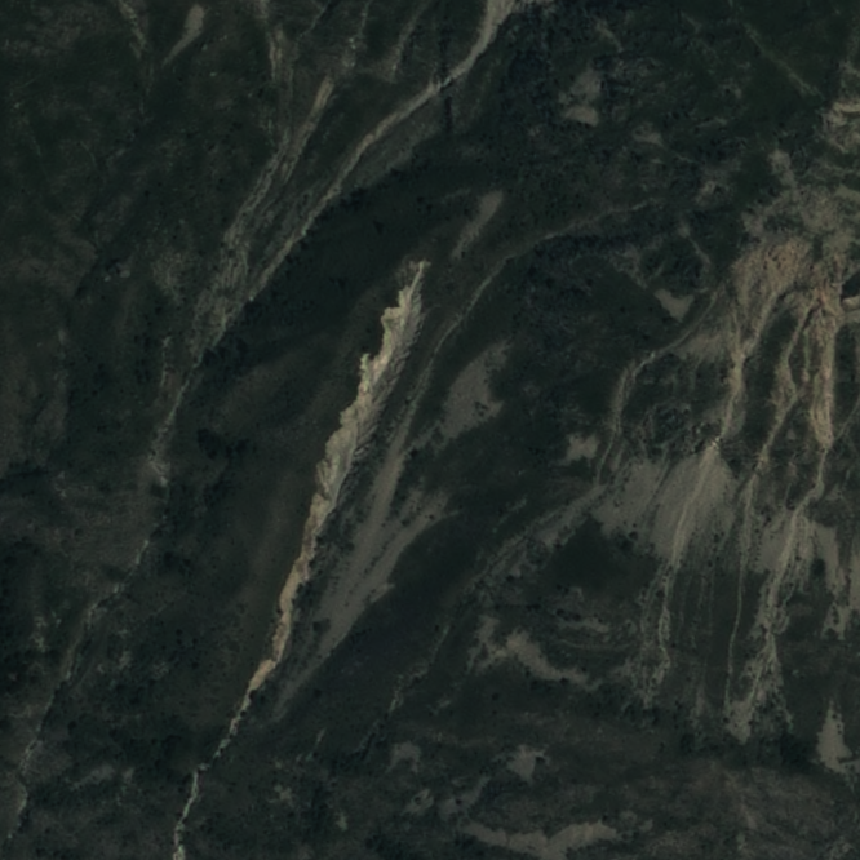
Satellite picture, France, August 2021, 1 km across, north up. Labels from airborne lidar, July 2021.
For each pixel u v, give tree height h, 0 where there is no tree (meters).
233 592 0
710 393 0
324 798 11
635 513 0
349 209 17
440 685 0
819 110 0
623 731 0
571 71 0
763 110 0
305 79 0
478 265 0
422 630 0
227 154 6
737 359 0
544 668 0
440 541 0
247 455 20
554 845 0
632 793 0
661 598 7
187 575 6
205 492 7
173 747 18
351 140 0
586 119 0
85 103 0
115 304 0
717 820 6
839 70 0
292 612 0
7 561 8
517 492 0
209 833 8
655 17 0
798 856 0
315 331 0
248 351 21
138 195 0
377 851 8
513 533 0
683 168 7
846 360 9
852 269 0
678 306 0
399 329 0
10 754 0
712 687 0
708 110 0
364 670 0
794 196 0
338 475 0
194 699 0
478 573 0
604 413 0
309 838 12
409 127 0
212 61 0
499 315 0
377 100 0
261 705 8
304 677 0
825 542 0
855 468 0
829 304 0
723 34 0
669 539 0
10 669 14
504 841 0
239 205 0
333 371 0
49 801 6
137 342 14
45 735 7
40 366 0
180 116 0
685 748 7
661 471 0
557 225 0
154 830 0
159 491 6
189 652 7
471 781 7
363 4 0
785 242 0
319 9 0
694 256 0
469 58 0
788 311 0
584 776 0
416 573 0
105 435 9
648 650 0
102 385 12
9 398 0
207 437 16
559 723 0
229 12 0
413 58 0
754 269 0
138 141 0
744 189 0
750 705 0
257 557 0
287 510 0
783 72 0
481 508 0
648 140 0
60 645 9
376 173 0
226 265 0
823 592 0
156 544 0
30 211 0
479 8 0
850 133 0
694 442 6
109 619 0
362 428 0
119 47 0
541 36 6
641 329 6
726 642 0
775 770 0
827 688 0
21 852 0
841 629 0
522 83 6
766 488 0
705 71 0
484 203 0
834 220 0
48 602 7
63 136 0
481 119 0
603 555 0
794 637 0
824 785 0
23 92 0
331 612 0
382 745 10
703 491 0
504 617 0
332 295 0
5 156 0
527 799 0
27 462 11
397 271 0
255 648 0
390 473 0
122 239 0
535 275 12
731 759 0
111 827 7
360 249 0
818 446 0
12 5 0
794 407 0
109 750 8
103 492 7
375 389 0
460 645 0
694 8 0
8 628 8
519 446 0
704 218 8
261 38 0
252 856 9
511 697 0
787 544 0
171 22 0
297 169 0
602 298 0
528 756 0
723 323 0
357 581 0
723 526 0
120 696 10
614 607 0
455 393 0
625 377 0
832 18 0
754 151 0
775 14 0
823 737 0
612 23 6
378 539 0
